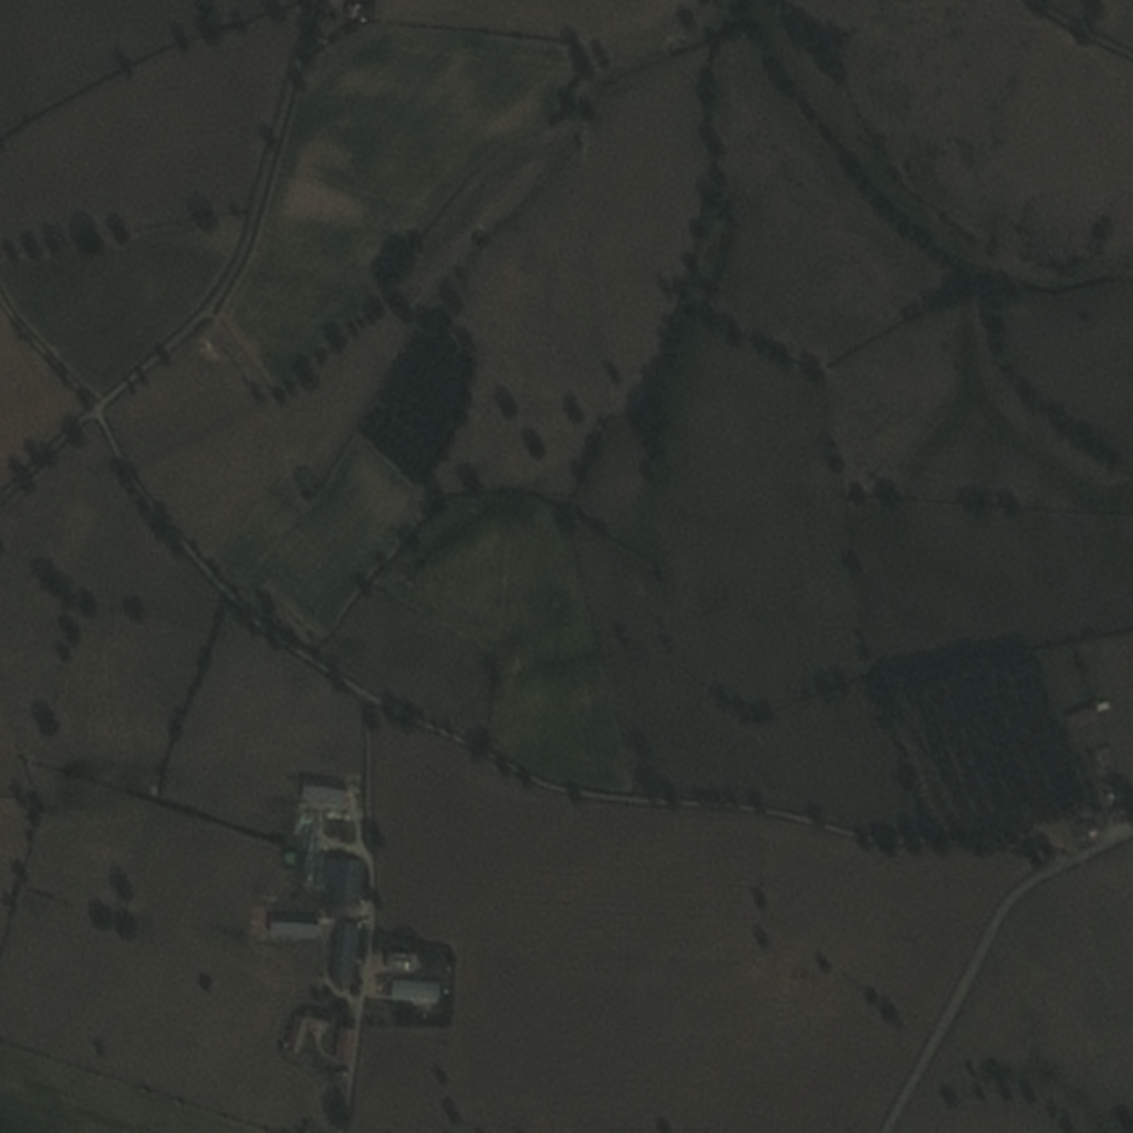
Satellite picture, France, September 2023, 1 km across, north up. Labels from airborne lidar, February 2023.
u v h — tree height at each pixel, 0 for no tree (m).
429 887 0
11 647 0
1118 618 0
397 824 0
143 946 0
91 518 0
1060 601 0
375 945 7
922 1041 0
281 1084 0
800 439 0
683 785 0
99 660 0
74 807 0
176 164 0
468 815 0
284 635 13
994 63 0
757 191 0
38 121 0
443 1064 0
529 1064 0
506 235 0
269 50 0
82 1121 0
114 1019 0
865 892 0
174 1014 0
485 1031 0
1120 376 0
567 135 0
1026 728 20
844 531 0
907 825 14
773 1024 0
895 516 0
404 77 0
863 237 0
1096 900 0
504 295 0
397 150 0
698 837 0
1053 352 0
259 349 0
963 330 0
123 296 0
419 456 12
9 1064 0
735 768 0
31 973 0
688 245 0
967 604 0
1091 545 0
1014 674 19
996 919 0
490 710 0
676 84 0
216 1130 0
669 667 0
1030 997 0
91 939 0
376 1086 0
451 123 0
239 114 0
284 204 0
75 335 0
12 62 0
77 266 0
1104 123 0
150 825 0
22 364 0
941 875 0
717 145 21
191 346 0
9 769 0
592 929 0
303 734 0
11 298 0
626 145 0
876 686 13
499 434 0
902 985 0
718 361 0
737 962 0
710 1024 0
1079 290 0
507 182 0
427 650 0
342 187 0
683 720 0
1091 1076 0
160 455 0
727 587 0
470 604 0
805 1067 0
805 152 0
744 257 0
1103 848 0
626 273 0
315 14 10
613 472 0
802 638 0
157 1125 0
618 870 0
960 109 0
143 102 0
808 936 0
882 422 0
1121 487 0
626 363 0
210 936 0
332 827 0
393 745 0
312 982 0
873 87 0
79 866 0
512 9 0
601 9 0
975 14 0
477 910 0
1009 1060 0
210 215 18
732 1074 0
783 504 0
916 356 0
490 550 0
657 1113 0
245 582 0
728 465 0
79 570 0
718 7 15
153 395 0
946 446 0
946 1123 0
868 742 0
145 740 0
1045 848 17
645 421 19
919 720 16
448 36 0
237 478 0
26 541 0
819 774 0
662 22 0
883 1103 0
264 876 0
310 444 0
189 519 0
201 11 13
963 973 0
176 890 0
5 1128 0
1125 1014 0
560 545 0
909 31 0
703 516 0
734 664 0
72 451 0
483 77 0
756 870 0
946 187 0
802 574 0
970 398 0
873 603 0
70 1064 0
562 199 0
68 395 0
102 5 0
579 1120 0
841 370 0
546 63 0
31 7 0
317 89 0
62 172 0
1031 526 0
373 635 0
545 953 0
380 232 0
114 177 0
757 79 0
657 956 0
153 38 0
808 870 0
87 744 0
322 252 0
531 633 0
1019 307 0
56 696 0
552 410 0
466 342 13
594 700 0
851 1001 0
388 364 0
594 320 0
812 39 16
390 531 0
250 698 0
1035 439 0
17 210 0
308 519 0
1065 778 21
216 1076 0
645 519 0
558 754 0
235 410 0
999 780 19
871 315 0
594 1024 0
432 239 0
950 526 0
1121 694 0
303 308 0
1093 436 16
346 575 0
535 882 0
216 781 0
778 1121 0
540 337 0
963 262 0
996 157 0
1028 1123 0
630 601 0
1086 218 0
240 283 0
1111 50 0
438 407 9
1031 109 0
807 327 0
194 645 0
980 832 17
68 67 0
